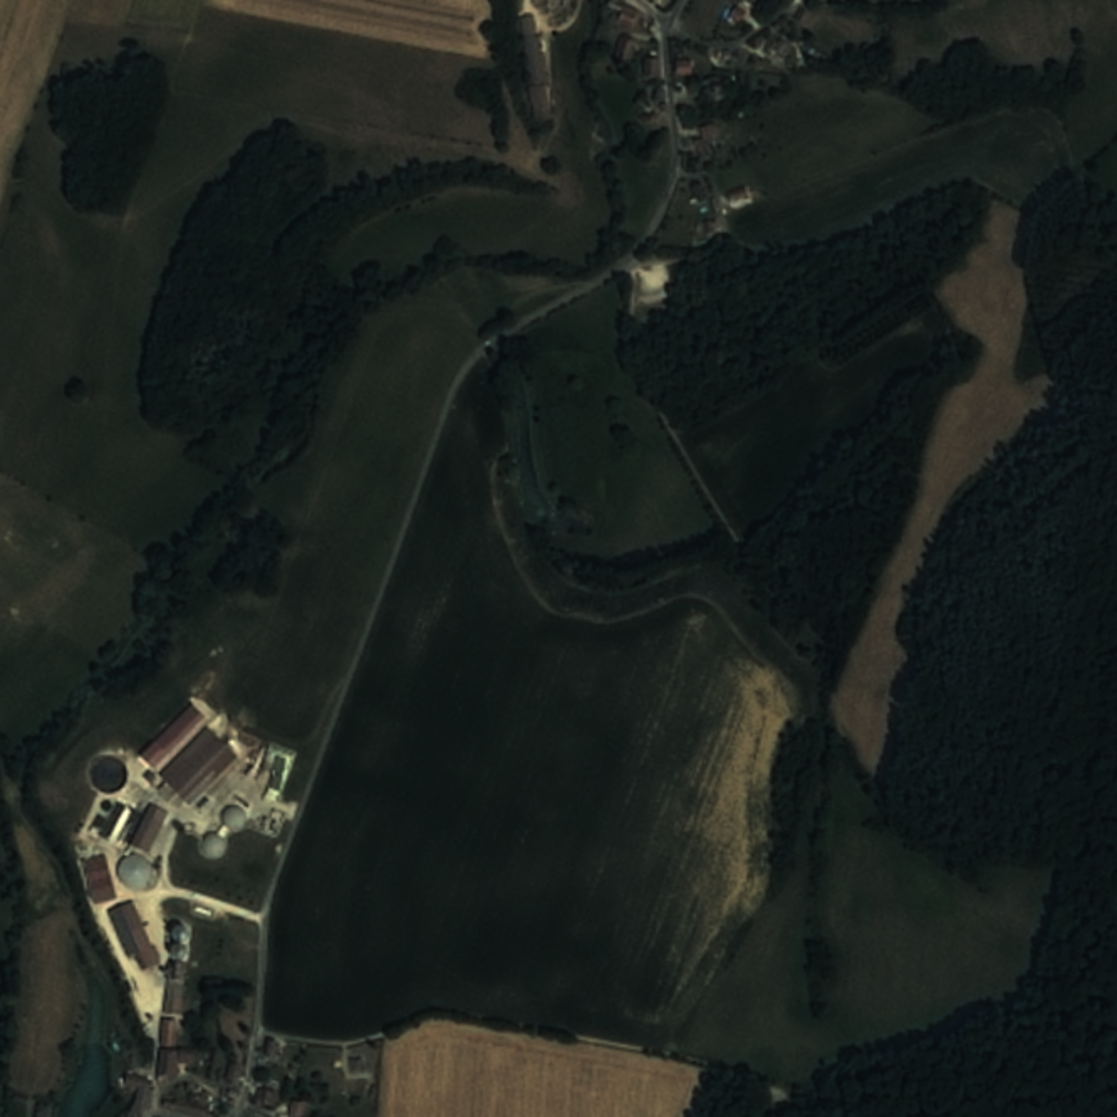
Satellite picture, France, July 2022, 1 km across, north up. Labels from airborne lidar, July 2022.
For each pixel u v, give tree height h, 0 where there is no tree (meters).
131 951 0
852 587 22
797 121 0
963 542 26
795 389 0
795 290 19
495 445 0
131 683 19
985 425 0
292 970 0
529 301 0
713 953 0
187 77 0
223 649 0
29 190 0
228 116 0
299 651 0
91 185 22
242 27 0
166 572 23
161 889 0
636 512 0
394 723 0
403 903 0
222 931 0
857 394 0
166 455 0
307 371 12
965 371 22
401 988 0
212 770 0
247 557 29
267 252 23
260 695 0
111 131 22
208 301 22
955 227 22
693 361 19
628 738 0
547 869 0
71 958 0
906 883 0
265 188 26
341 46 0
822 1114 24
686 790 0
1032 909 0
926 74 18
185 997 0
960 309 0
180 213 0
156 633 17
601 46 10
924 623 24
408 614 0
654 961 0
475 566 0
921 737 32
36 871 0
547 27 0
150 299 0
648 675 0
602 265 13
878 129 0
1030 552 29
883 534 25
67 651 0
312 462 0
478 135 0
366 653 0
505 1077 0
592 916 0
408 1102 0
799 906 0
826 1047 0
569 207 0
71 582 0
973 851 20
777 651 0
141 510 0
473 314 0
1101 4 0
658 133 8
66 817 0
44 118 0
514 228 0
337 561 0
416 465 0
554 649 0
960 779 27
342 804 0
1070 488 29
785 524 10
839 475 22
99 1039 0
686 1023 0
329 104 0
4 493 0
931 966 0
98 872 0
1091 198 17
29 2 0
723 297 23
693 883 0
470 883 0
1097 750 21
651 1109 0
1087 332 21
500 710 0
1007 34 0
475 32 0
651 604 0
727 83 8
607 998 0
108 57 0
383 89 0
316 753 0
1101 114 0
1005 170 0
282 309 16
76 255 0
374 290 14
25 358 0
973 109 10
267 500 0
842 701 0
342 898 0
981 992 0
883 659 0
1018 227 0
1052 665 25
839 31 0
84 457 0
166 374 20
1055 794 30
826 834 8
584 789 0
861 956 0
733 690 0
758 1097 28
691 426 13
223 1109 11
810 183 0
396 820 0
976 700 29
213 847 0
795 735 14
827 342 18
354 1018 0
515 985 0
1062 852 26
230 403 14
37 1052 0
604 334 0
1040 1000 19
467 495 0
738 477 0
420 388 0
